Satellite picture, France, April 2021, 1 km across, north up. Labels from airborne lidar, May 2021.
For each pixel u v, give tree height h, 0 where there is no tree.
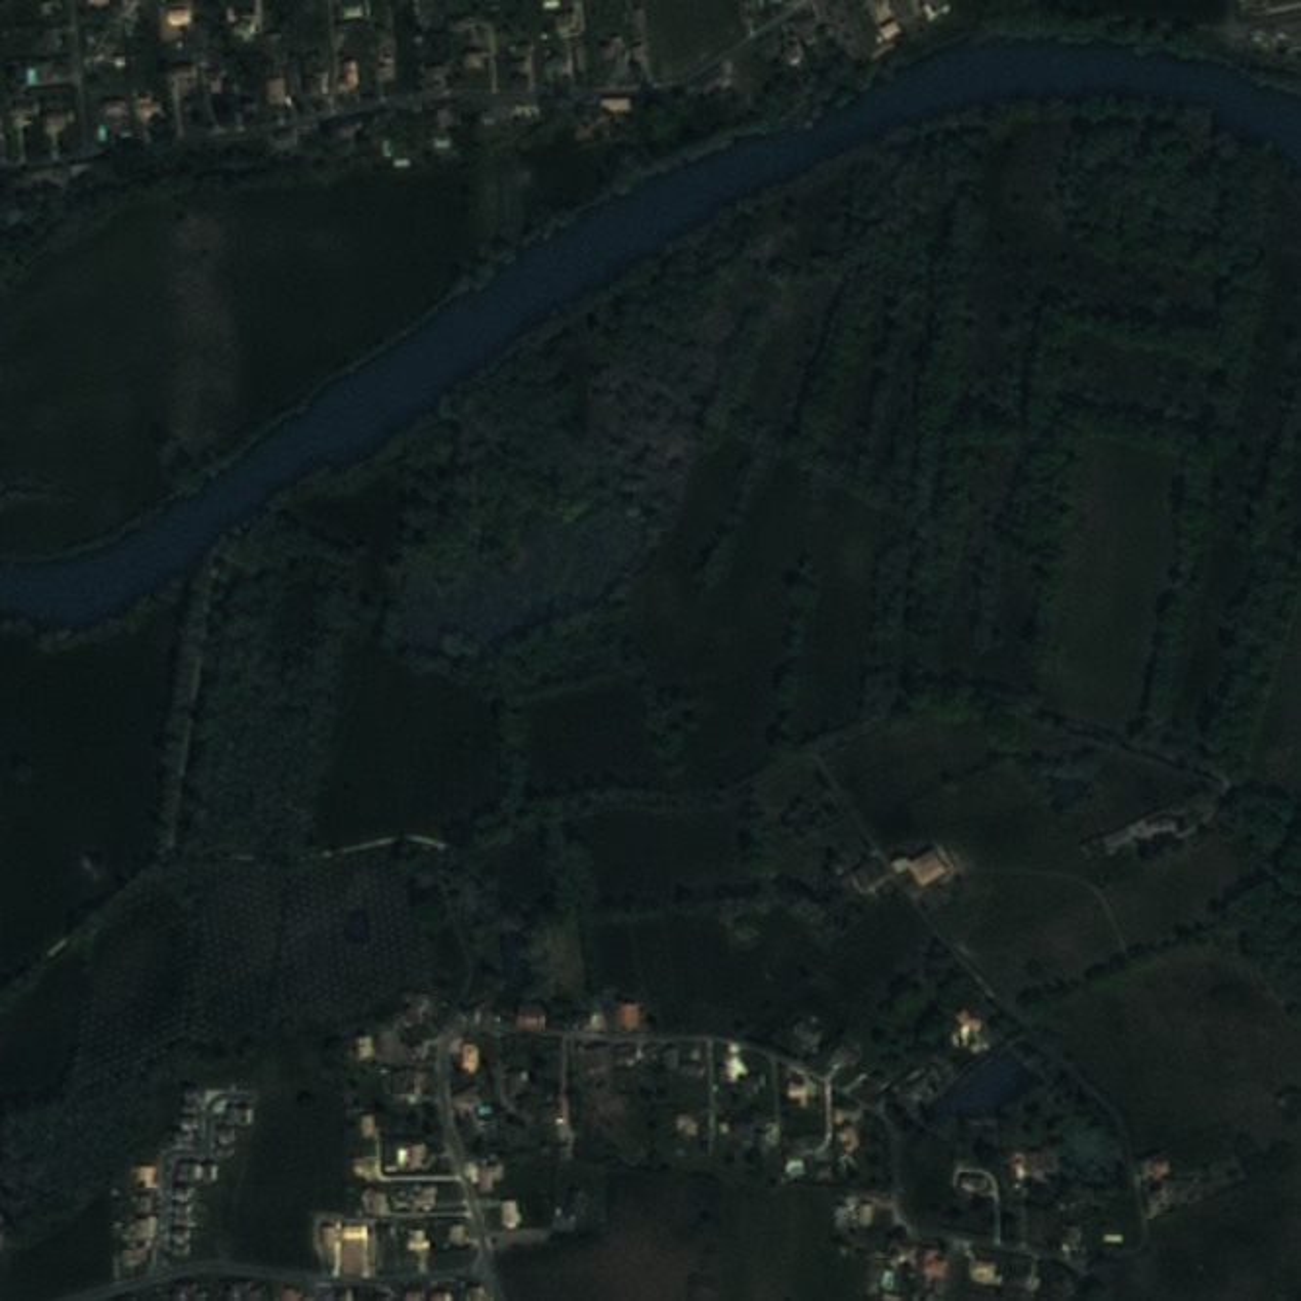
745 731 0
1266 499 14
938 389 20
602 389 8
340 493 11
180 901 11
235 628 29
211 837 15
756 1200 0
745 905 16
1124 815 0
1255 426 0
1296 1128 0
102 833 0
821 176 14
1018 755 8
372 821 0
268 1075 0
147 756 0
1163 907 0
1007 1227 12
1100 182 26
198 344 0
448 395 12
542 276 0
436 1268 0
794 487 0
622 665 6
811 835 11
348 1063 0
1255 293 20
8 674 0
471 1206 0
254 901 22
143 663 0
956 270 16
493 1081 13
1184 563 11
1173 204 22
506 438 14
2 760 0
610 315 17
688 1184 0
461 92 0
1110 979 10
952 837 0
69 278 0
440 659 11
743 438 8
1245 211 24
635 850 0
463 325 0
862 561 0
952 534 25
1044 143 0
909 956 0
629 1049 0
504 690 14
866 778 0
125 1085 15
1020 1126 13
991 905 0
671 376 18
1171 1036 0
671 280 11
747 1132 0
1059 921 0
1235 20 0
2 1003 13
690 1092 0
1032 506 21
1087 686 0
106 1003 8
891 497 6
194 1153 0
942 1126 9
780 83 9
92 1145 19
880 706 15
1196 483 15
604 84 0
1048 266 0
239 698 16
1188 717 0
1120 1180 9
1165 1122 0
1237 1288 0
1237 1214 0
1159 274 14
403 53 0
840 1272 0
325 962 19
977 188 7
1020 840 0
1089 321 19
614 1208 0
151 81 0
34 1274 0
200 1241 0
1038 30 11
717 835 0
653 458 9
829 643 0
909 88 0
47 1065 0
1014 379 14
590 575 0
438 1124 9
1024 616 0
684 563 0
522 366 17
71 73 0
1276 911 16
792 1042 0
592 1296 0
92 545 6
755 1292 0
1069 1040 0
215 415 0
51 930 0
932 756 0
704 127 0
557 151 0
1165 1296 0
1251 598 13
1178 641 13
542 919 16
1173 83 0
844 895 7
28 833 0
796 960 0
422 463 15
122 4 5
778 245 0
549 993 14
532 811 14
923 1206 0
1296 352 15
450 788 0
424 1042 0
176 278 0
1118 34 7
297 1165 0
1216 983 0
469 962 0
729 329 0
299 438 0
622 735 0
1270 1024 0
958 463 23
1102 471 0
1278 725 0
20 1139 26
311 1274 0
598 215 0
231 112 14
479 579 0
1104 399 10
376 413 0
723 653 0
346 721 0
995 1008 11
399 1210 0
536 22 0
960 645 0
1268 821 23
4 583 0
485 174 0
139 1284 0
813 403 19
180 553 0
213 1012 19
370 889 18
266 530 20
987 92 0
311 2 0
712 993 0
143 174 7
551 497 20
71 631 12
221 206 0
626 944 0
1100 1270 7
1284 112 0
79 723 0
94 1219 0
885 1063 9
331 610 19
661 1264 0
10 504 14
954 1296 0
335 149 12
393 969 22
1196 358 14
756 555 0
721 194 0
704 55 0
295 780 17
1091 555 0
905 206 26
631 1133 0
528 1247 0
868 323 8
